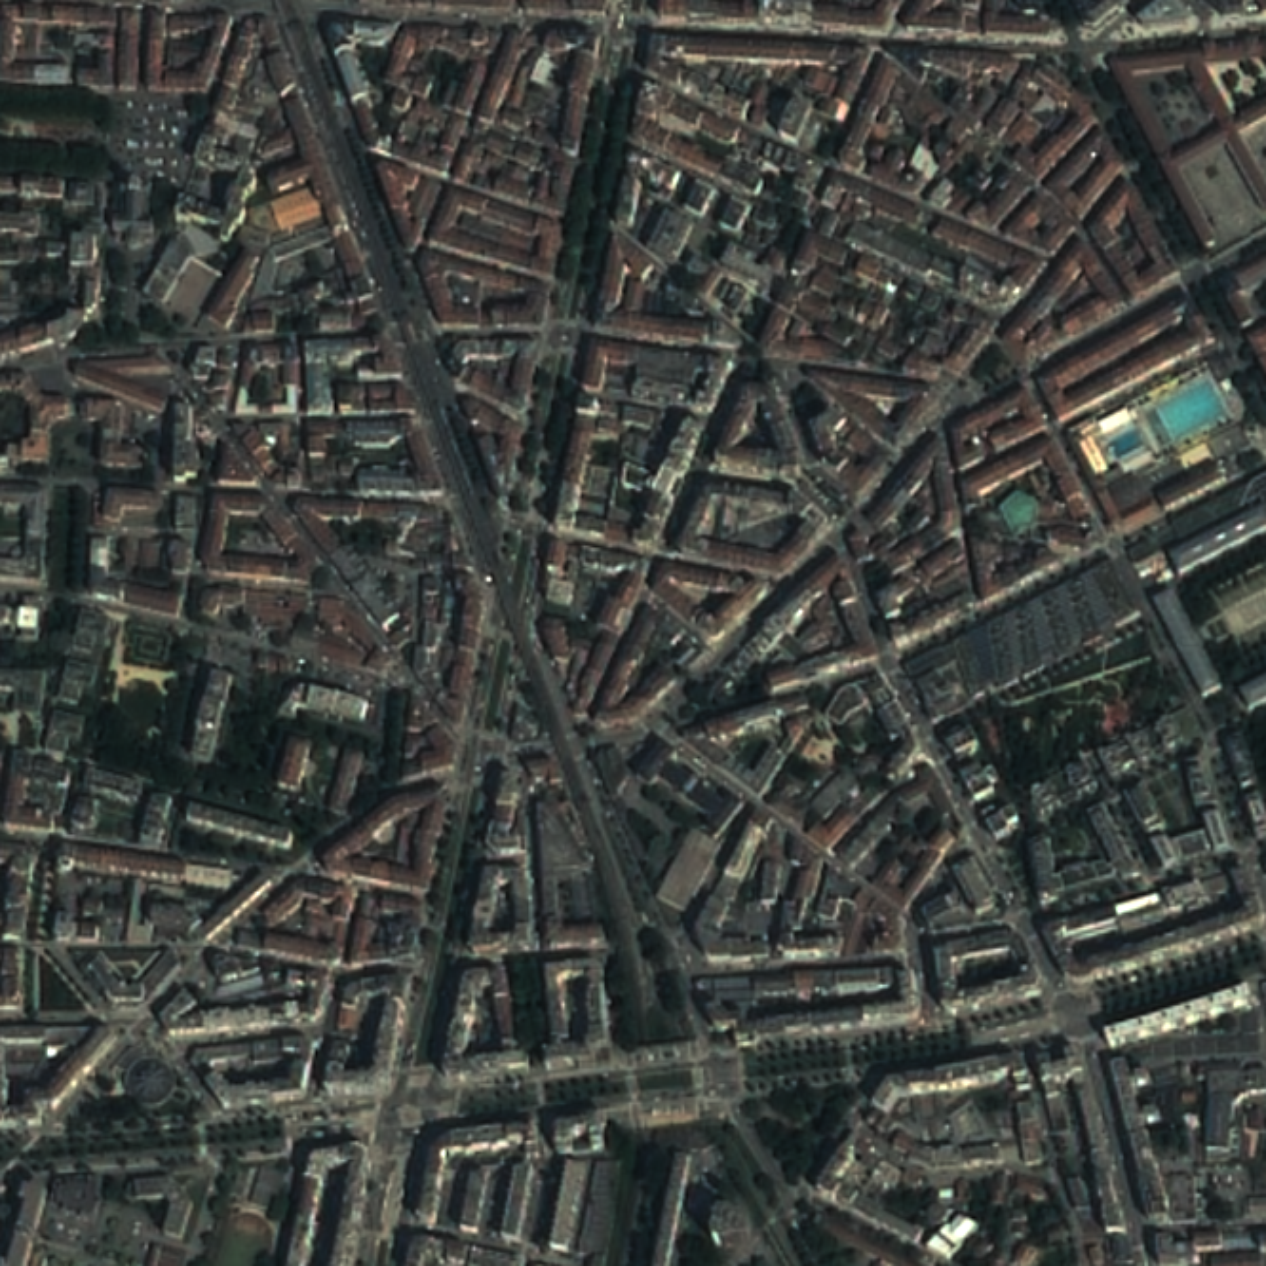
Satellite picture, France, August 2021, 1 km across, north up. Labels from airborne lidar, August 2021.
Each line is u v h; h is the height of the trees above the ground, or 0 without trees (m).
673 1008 24
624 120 22
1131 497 0
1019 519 0
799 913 0
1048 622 0
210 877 0
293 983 0
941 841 0
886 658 0
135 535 0
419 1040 0
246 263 0
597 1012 0
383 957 0
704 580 0
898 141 0
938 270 0
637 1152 0
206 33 10
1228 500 0
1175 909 0
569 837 0
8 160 22
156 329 17
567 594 0
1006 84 10
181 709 12
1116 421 0
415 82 0
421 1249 0
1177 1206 0
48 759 8
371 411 0
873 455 0
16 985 0
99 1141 8
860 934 0
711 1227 0
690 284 29
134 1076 0
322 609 0
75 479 0
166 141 0
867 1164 0
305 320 14
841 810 0
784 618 0
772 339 0
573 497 0
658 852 20
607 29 0
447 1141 0
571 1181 0
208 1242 10
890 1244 9
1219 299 15
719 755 0
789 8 0
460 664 0
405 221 0
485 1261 0
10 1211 17
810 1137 13
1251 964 11
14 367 0
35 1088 0
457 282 0
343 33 0
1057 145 0
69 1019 0
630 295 0
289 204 0
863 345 6
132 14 0
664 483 0
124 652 0
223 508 0
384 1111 0
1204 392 0
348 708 0
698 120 0
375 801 17
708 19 0
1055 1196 16
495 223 0
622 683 0
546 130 0
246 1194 0
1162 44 8
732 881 0
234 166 0
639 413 0
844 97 0
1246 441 0
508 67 0
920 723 0
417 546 0
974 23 0
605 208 14
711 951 0
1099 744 8
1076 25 15
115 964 0
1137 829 9
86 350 14
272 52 0
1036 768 7
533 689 10
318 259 10
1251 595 0
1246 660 9
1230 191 0
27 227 0
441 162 0
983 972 14
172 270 0
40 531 0
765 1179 10
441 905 22
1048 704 6
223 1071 0
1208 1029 11
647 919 0
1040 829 10
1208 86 0
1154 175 16
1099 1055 0
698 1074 0
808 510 0
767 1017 0
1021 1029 0
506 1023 0
